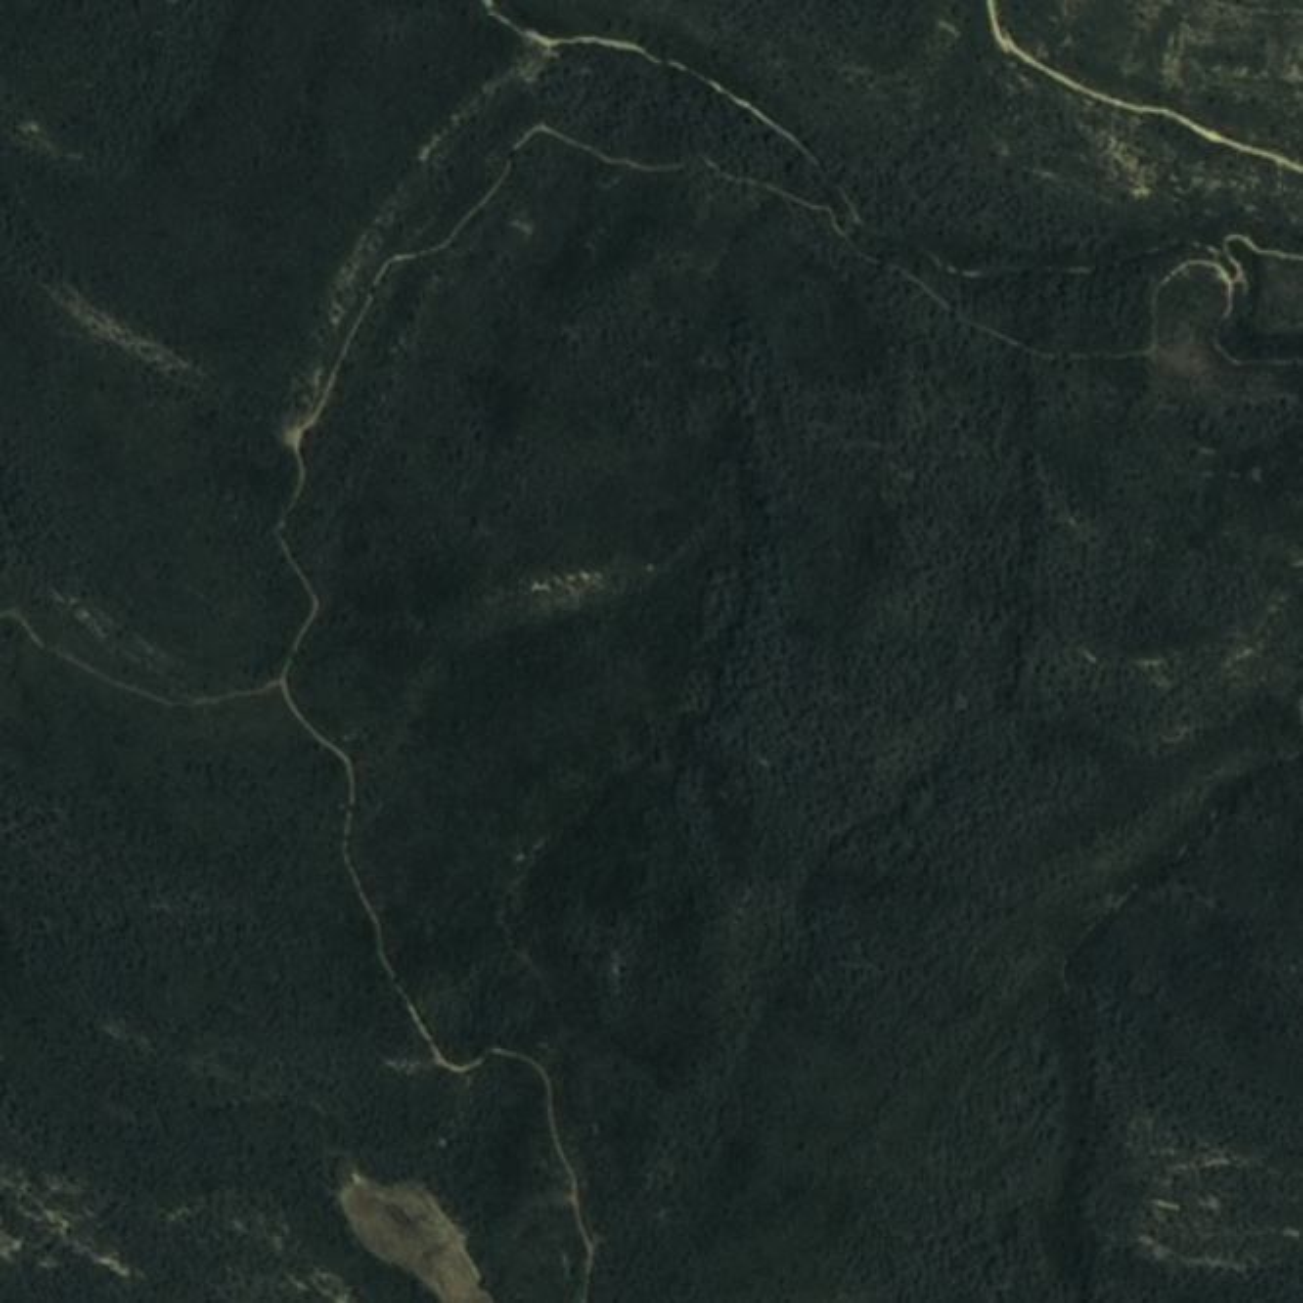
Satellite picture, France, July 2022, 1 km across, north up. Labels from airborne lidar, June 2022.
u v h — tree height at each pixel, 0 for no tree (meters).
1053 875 6
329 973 7
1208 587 7
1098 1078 12
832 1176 8
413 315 10
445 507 7
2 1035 0
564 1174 0
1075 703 14
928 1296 6
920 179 11
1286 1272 10
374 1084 7
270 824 6
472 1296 0
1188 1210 7
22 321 0
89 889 7
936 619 6
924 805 17
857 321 6
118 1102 7
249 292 7
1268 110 0
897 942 8
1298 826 6
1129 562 8
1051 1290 8
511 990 6
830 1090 8
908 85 9
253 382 0
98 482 7
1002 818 12
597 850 7
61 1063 6
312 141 7
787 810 13
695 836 8
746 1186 7
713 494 12
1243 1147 9
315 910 9
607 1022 9
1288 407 11
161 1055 6
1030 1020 7
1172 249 7
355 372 10
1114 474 7
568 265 6
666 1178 6
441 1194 6
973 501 10
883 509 6
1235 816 11
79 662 0
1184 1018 6
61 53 6
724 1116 10
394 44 7
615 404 7
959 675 10
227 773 9
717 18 6
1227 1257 9
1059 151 6
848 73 7
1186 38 0
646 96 7
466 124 8
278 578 9
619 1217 6
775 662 10
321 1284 5
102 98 6
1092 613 10
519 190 7
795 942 11
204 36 11
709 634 15
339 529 8
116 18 9
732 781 10
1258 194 0
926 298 8
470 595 6
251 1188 6
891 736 12
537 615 8
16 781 7
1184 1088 8
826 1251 7
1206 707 7
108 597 6
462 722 6
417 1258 0
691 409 14
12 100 8
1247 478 6
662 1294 7
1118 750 8
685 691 8
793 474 6
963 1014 12
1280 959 7
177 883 6
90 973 8
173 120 9
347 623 11
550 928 9
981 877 7
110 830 9
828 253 8
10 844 14
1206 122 0
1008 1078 11
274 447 6
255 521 10
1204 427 10
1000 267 8
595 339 6
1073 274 8
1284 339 7
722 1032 6
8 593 5
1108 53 0
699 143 11
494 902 6
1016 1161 6
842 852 12
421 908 8
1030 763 9
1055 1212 6
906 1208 11
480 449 8
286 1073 7
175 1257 8
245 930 13
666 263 6
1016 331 6
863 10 9
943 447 13
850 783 13
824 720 9
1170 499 10
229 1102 7
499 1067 9
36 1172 6
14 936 9
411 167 10
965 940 8
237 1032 7
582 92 10
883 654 11
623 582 11
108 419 0
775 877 8
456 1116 9
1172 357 0
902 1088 10
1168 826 7
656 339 7
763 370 11
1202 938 6
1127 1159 10
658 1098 6
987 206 11
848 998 12
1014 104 8
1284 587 9
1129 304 12
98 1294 9
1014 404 9
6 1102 12
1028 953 10
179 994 0
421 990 8
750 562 15
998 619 13
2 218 7
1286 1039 7
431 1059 6
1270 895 8
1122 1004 8
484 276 0
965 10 10
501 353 6
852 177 13
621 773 7
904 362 9
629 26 8
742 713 11
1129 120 0
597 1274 7
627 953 7
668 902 7
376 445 8
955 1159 8
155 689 0
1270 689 9
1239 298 9
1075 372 9
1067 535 10
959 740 12
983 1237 16
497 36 6
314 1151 6
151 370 10
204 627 0
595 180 7
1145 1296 8
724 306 6
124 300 0
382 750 8
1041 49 0
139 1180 8
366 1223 0
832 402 10
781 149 12
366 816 8
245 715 0
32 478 6
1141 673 7
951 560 12
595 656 7
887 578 9
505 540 6
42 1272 6
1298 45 0
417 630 7
